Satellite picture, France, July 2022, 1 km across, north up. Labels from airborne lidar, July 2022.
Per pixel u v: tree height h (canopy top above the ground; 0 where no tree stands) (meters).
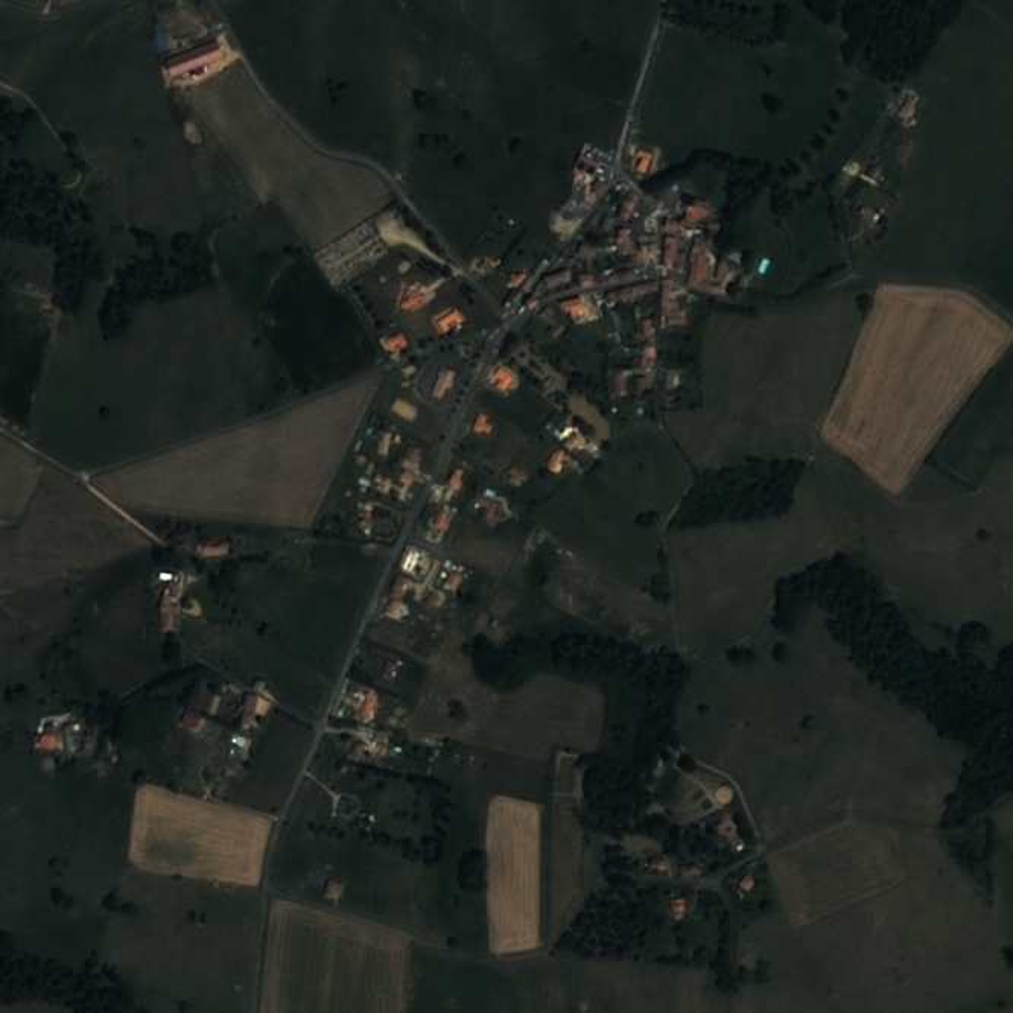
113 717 12
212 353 0
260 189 0
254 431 0
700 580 0
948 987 0
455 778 0
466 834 0
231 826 0
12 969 16
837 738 0
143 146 7
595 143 0
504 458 0
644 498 0
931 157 0
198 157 0
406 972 0
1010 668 21
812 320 0
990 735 17
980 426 0
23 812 0
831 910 0
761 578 0
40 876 0
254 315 0
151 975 0
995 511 0
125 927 0
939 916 0
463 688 0
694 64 0
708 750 0
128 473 0
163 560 22
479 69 0
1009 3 0
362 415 0
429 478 0
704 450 0
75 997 9
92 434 0
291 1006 0
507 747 0
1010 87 0
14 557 0
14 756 0
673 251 0
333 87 7
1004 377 0
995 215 0
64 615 0
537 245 0
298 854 0
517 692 0
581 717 0
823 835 0
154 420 0
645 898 15
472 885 16
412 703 0
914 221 0
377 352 0
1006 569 0
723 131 0
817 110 0
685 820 0
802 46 0
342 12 0
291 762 0
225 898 0
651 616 0
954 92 0
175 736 0
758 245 0
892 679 17
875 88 0
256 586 0
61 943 0
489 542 0
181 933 0
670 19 10
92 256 23
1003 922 0
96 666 0
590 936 7
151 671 0
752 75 0
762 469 17
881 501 0
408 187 0
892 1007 0
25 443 0
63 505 0
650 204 0
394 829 0
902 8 19
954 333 0
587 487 0
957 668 14
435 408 0
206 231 0
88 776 0
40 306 0
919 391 0
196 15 0
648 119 0
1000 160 0
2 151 26
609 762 12
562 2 0
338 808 0
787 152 0
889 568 0
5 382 0
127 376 0
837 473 0
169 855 0
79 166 16
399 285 0
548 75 0
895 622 15
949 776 0
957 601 0
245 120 0
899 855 0
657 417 10
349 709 0
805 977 0
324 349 0
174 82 0
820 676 0
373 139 0
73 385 0
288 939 0
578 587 0
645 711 6
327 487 0
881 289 0
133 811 0
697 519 7
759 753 0
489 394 0
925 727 0
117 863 0
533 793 0
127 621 0
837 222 9
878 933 0
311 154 0
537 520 0
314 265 0
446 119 0
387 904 0
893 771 0
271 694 0
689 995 0
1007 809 0
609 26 0
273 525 0
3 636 0
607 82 0
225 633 0
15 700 12
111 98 0
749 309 8
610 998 0
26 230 17
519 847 0
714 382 0
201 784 0
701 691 0
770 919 0
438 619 0
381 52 0
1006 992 0
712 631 0
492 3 0
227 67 0
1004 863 0
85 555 0
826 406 0
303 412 0
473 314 0
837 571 18
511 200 0
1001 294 0
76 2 0
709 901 6
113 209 0
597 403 8
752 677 0
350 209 0
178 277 14
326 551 0
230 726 8
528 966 0
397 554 0
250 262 0
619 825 10
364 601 0
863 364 0
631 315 0
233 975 0
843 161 0
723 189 0
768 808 0
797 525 0
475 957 0
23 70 0
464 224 0
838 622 11
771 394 0
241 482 0
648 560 0
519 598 0
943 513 0
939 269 0
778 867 0
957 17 11
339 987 0
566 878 0
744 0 0
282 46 0
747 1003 0
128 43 0
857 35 22
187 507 0
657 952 0
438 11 0
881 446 0
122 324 19
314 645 0
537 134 0
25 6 0
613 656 21
